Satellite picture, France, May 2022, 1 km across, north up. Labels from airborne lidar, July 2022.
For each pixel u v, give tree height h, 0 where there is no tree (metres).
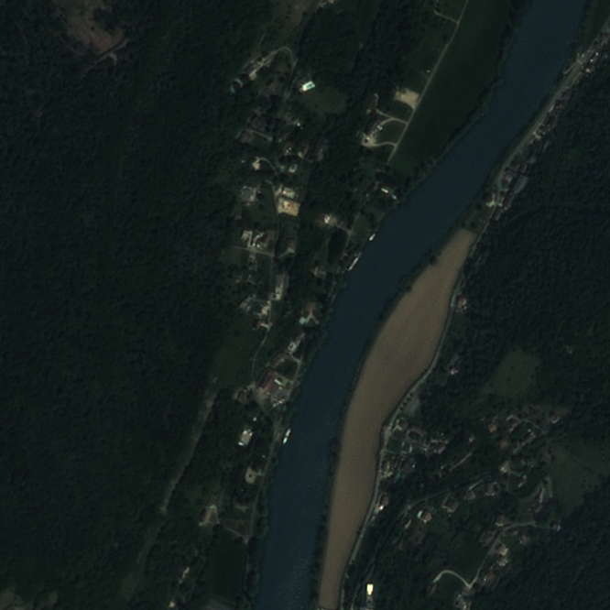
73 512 10
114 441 20
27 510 15
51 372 17
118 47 0
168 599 15
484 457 8
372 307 0
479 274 14
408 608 11
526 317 16
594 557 17
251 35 24
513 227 14
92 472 9
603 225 16
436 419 13
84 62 18
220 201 19
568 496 0
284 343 10
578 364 11
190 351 15
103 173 10
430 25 9
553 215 10
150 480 18
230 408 20
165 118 18
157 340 28
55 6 19
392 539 6
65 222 18
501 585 7
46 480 19
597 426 20
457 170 0
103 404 13
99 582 16
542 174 10
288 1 0
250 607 7
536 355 9
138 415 26
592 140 14
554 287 18
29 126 15
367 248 0
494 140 0
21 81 20
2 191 17
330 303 12
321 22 16
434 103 0
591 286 12
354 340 0
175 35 13
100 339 16
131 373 25
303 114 5
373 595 0
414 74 0
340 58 21
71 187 19
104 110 12
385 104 15
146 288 18
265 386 0
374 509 0
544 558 17
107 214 13
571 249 19
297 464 0
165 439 19
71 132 16
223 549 0
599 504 24
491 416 6
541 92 0
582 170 12
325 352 0
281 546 0
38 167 16
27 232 16
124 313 24
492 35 0
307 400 0
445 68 0
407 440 0
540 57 0
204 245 23
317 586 5
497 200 0
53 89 18
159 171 16
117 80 12
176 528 9
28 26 25
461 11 0
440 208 0
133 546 21
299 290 19
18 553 13
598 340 9
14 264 17
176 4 9
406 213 0
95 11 0
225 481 9
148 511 13
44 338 17
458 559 0
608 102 18
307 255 21
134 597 6
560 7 0
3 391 17
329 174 17
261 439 6
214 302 10
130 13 18
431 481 12
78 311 19
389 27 29
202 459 14
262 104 19
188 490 19
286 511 0
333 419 0
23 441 20
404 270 0
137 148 15
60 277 21
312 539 0
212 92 17
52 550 11
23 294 17
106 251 13
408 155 0
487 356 17
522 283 21
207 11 18
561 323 10
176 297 20
